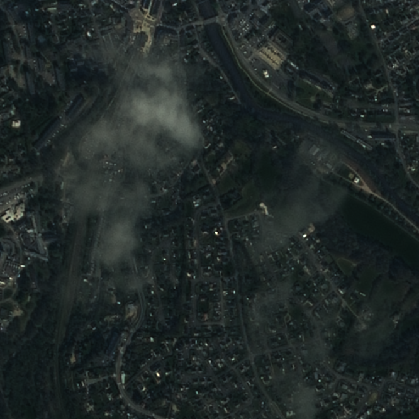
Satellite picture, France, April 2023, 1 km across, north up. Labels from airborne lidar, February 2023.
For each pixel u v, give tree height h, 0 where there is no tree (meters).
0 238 0
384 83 12
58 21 12
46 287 24
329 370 0
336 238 28
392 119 0
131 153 0
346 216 0
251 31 7
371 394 0
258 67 0
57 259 25
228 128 10
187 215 0
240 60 0
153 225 14
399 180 14
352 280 13
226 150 17
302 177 28
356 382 0
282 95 0
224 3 0
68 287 0
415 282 13
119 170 0
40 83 11
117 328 0
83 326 19
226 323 0
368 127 0
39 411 22
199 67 11
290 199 22
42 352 22
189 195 8
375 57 19
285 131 18
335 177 0
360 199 15
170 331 12
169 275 0
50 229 14
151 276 0
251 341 9
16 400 19
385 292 0
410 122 0
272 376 0
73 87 18
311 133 0
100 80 31
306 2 0
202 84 12
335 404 0
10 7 0
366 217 0
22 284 22
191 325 0
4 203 0
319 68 20
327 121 0
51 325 20
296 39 18
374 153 22
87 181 0
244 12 0
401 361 21
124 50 0
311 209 21
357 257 27
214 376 0
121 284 0
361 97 6
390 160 16
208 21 0
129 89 0
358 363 14
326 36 0
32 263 15
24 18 19
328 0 0
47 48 16
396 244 0
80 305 12
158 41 0
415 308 0
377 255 22
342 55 19
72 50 0
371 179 25
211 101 0
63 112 0
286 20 10
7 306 0
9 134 8
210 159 0
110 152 0
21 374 20
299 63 10
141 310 0
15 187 0
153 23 0
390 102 11
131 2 0
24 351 18
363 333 14
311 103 0
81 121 19
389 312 11
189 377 0
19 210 0
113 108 0
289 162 19
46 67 0
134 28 0
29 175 14
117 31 0
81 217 0
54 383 15
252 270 14
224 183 0
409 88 8
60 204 11
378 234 0
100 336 15
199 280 0
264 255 0
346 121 0
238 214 0
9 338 12
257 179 15
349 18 0
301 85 0
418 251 0
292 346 0
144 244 0
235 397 0
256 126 23
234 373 0
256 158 17
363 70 9
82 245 0
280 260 0
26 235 0
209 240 0
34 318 18
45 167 16
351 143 17
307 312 0
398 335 8
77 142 20
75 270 0
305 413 0
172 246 0
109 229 16
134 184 13
